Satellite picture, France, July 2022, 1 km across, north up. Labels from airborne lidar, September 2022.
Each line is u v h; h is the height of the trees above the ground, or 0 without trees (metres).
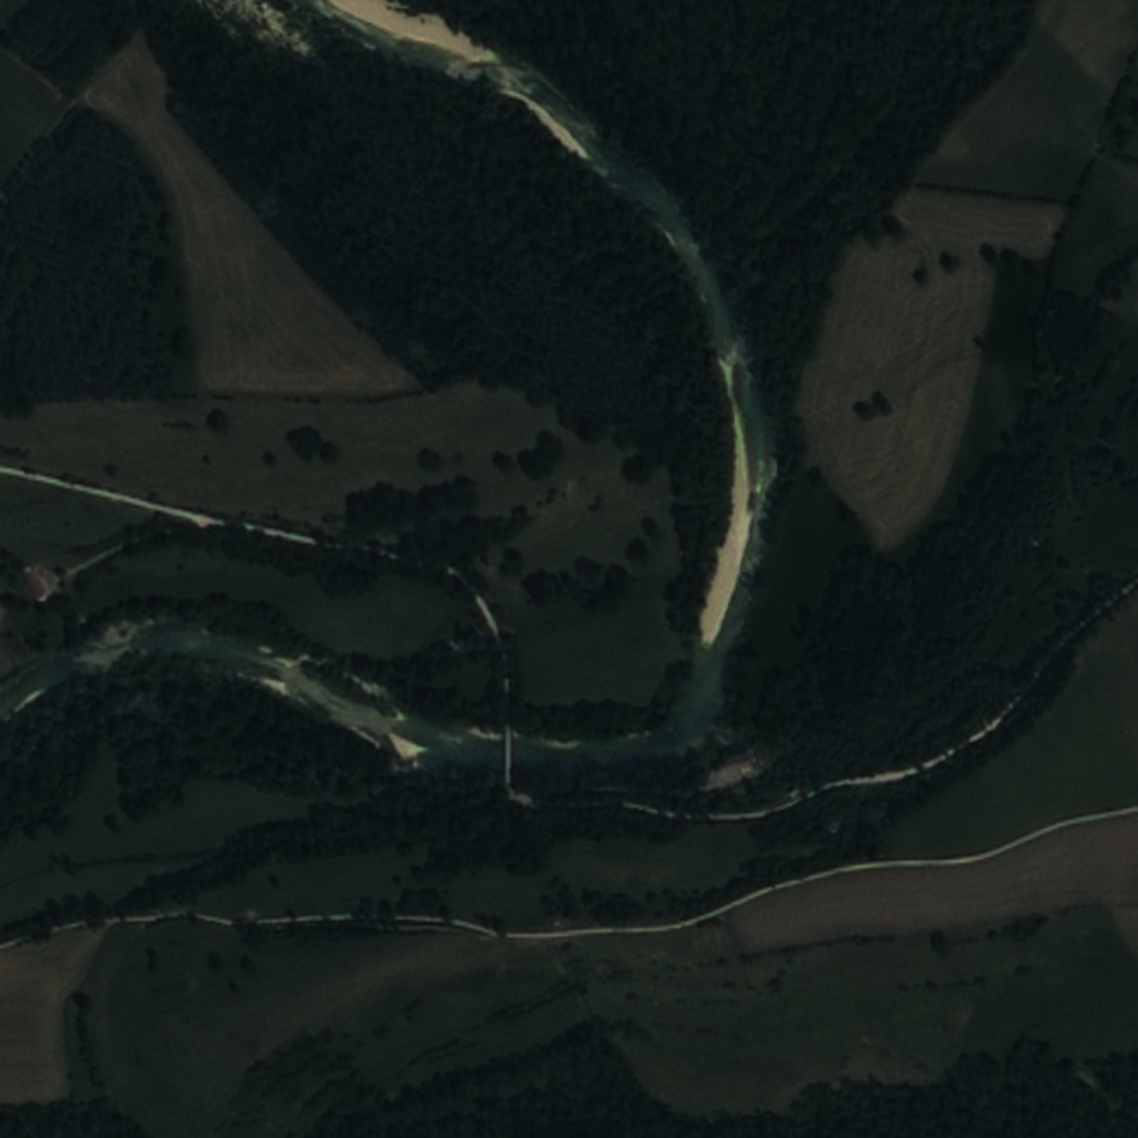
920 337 0
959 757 11
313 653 11
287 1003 0
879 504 0
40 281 12
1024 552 9
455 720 11
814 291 20
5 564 9
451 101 6
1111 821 0
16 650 0
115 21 24
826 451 0
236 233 0
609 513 0
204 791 0
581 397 22
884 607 24
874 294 0
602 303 28
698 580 16
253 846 13
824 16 20
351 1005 0
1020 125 0
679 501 11
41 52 23
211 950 0
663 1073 0
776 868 6
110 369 15
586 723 20
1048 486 7
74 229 12
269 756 17
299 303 0
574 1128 10
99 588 0
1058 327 18
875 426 0
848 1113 9
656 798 10
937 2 13
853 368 0
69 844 0
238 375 0
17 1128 23
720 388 13
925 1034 0
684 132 25
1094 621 21
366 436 0
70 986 0
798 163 13
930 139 19
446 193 26
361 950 0
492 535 19
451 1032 0
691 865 0
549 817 13
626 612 0
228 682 16
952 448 0
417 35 0
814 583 0
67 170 15
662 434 18
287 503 0
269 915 0
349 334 0
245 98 7
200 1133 0
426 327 19
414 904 9
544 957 0
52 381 17
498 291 18
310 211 21
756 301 23
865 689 15
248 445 0
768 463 0
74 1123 19
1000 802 0
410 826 14
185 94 17
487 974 0
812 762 7
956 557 19
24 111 0
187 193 0
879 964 0
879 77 20
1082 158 0
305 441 17
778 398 21
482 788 20
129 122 0
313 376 0
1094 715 0
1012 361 0
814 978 0
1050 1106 24
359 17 0
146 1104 0
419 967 0
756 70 14
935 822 0
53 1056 0
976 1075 27
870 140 13
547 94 0
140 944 0
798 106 20
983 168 0
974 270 0
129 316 12
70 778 23
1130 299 0
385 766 18
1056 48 0
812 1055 0
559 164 18
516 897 0
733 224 22
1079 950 0
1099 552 0
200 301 0
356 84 22
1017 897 0
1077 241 0
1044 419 7
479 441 0
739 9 21
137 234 7
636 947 0
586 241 23
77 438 0
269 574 0
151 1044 0
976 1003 0
